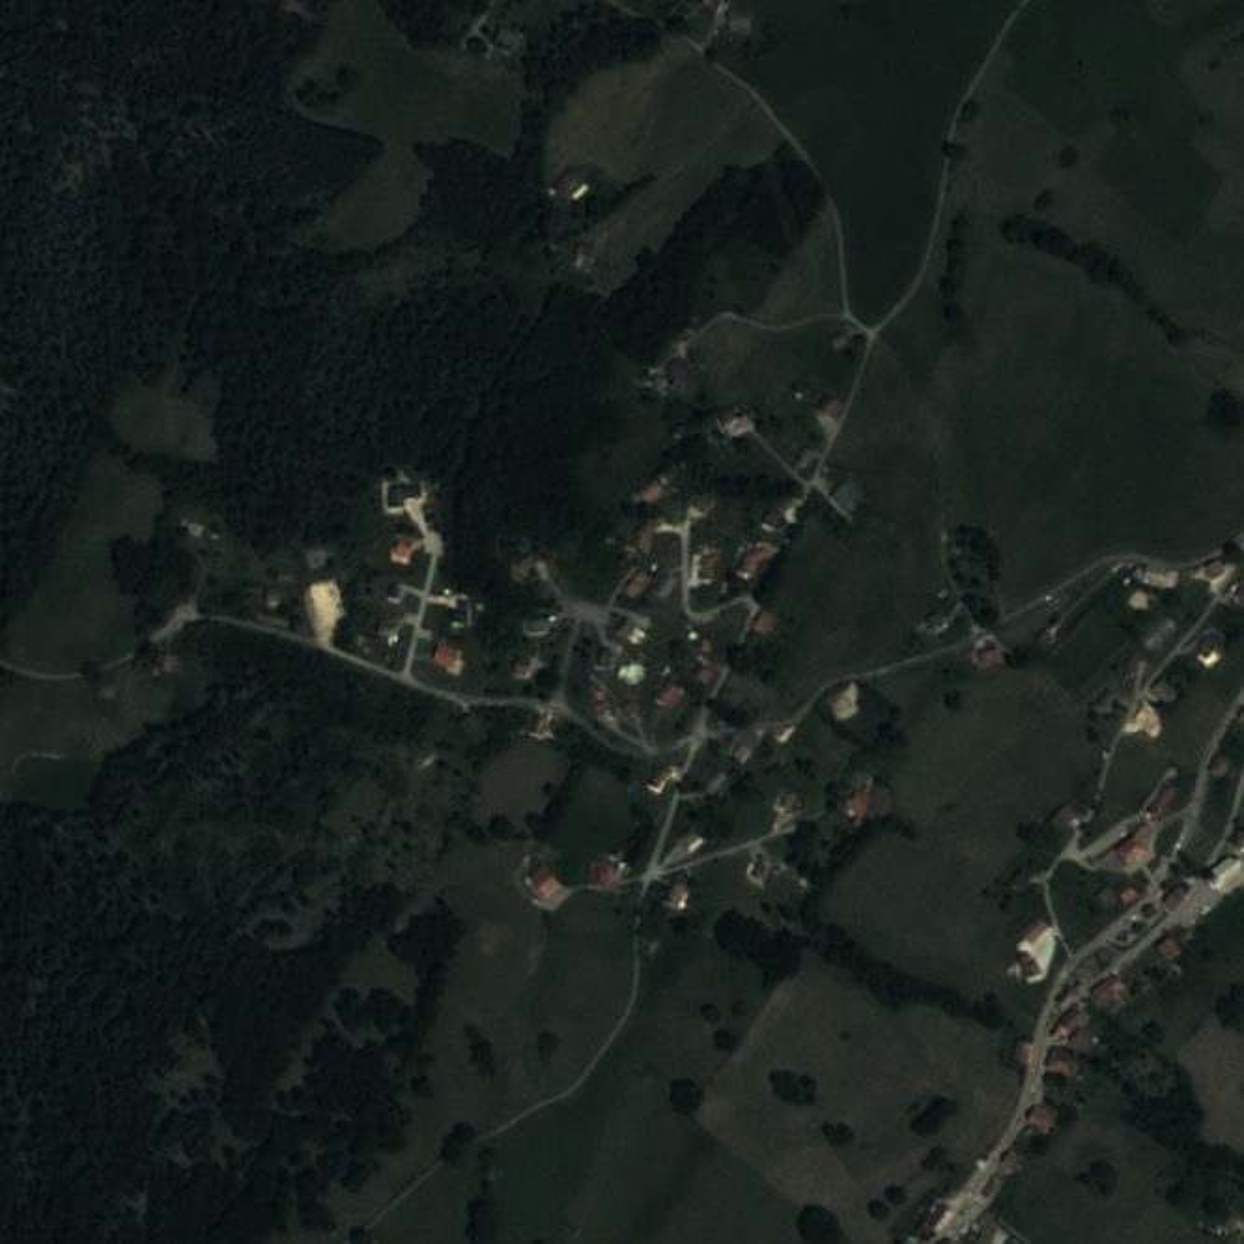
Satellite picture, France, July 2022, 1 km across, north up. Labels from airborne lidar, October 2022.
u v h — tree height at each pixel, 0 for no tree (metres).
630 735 0
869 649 0
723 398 0
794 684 0
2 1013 23
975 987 0
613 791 0
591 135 0
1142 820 0
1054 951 0
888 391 0
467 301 11
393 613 0
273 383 17
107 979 32
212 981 17
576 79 17
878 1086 0
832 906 0
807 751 0
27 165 20
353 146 23
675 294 18
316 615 0
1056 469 0
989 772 0
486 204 20
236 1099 20
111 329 26
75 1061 18
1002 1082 0
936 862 0
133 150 22
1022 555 0
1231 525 0
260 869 12
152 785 21
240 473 9
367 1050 9
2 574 23
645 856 10
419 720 6
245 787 23
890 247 0
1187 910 0
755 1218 0
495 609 6
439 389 15
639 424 0
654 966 0
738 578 12
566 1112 0
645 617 0
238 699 25
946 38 0
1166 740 0
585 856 0
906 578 0
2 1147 16
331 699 7
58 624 0
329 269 11
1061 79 0
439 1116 0
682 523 0
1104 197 0
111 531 0
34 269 21
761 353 0
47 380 10
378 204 0
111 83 18
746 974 0
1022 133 0
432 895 0
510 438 17
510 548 7
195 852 14
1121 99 0
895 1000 12
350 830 0
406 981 0
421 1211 0
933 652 0
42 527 19
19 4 19
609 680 0
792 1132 0
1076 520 0
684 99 0
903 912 0
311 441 16
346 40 0
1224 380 0
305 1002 30
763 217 14
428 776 0
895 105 0
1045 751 0
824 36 0
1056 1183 0
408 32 10
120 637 0
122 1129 24
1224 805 0
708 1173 0
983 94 0
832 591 0
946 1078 0
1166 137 0
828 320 0
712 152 0
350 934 24
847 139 0
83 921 10
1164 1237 0
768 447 0
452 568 8
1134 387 0
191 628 12
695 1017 0
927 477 0
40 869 23
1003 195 0
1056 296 0
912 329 0
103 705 0
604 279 0
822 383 0
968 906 0
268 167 24
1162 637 0
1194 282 0
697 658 0
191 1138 15
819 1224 21
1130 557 0
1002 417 0
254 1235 25
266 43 22
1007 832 0
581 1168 0
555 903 0
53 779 0
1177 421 0
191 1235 27
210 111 22
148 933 23
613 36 19
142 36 23
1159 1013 0
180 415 0
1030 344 0
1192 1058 0
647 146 0
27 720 0
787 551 10
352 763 11
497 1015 0
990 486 0
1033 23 0
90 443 23
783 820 0
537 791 0
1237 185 0
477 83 0
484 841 18
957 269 12
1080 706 0
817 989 0
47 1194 10
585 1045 0
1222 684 0
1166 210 0
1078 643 0
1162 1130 12
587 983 0
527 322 11
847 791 6
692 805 6
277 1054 27
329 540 11
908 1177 0
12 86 21
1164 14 0
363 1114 22
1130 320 0
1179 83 0
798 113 0
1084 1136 0
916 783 0
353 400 15
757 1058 0
